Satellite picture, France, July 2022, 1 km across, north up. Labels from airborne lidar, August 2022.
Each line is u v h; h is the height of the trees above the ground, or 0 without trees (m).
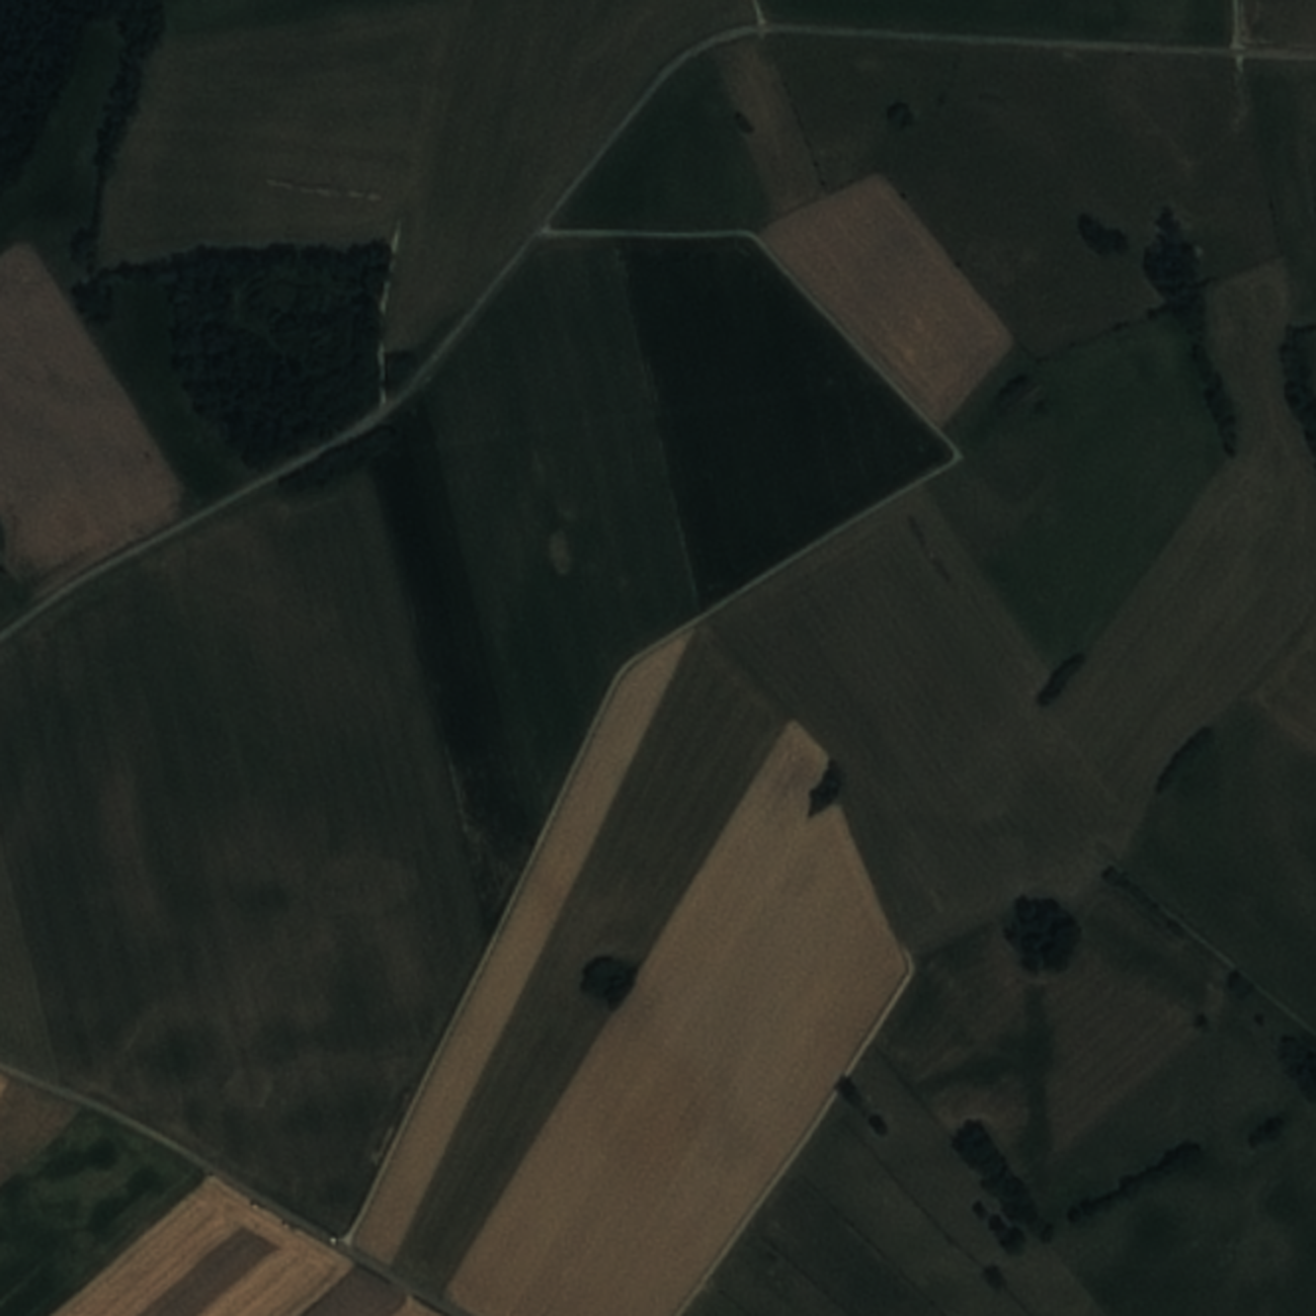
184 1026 0
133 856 0
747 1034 0
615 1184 0
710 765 0
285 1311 0
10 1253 0
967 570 0
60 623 0
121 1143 0
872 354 0
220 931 0
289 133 0
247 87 0
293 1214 0
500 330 0
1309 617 0
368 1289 0
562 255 0
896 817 0
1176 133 0
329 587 0
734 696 0
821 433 0
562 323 0
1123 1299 0
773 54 0
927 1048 0
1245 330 0
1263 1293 0
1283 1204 0
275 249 13
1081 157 0
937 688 0
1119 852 0
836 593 0
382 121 0
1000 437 0
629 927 0
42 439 0
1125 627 0
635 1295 0
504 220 0
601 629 0
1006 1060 0
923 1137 0
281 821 0
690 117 0
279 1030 0
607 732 0
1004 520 0
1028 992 0
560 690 0
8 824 0
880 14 0
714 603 0
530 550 0
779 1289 0
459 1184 0
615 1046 0
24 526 0
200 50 0
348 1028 0
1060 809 0
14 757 0
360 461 13
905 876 0
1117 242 15
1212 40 0
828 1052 0
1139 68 0
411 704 0
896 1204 0
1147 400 0
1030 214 0
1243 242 0
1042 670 0
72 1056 0
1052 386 0
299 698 0
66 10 20
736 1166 0
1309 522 0
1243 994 10
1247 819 0
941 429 0
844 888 0
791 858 0
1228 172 0
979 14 0
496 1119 0
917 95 0
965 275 0
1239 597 0
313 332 11
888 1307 0
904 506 0
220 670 0
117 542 0
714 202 0
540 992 0
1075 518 0
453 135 0
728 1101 0
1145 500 0
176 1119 0
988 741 0
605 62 0
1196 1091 0
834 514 0
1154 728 0
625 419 0
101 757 0
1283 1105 0
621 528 0
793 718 0
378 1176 0
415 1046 0
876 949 0
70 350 0
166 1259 0
